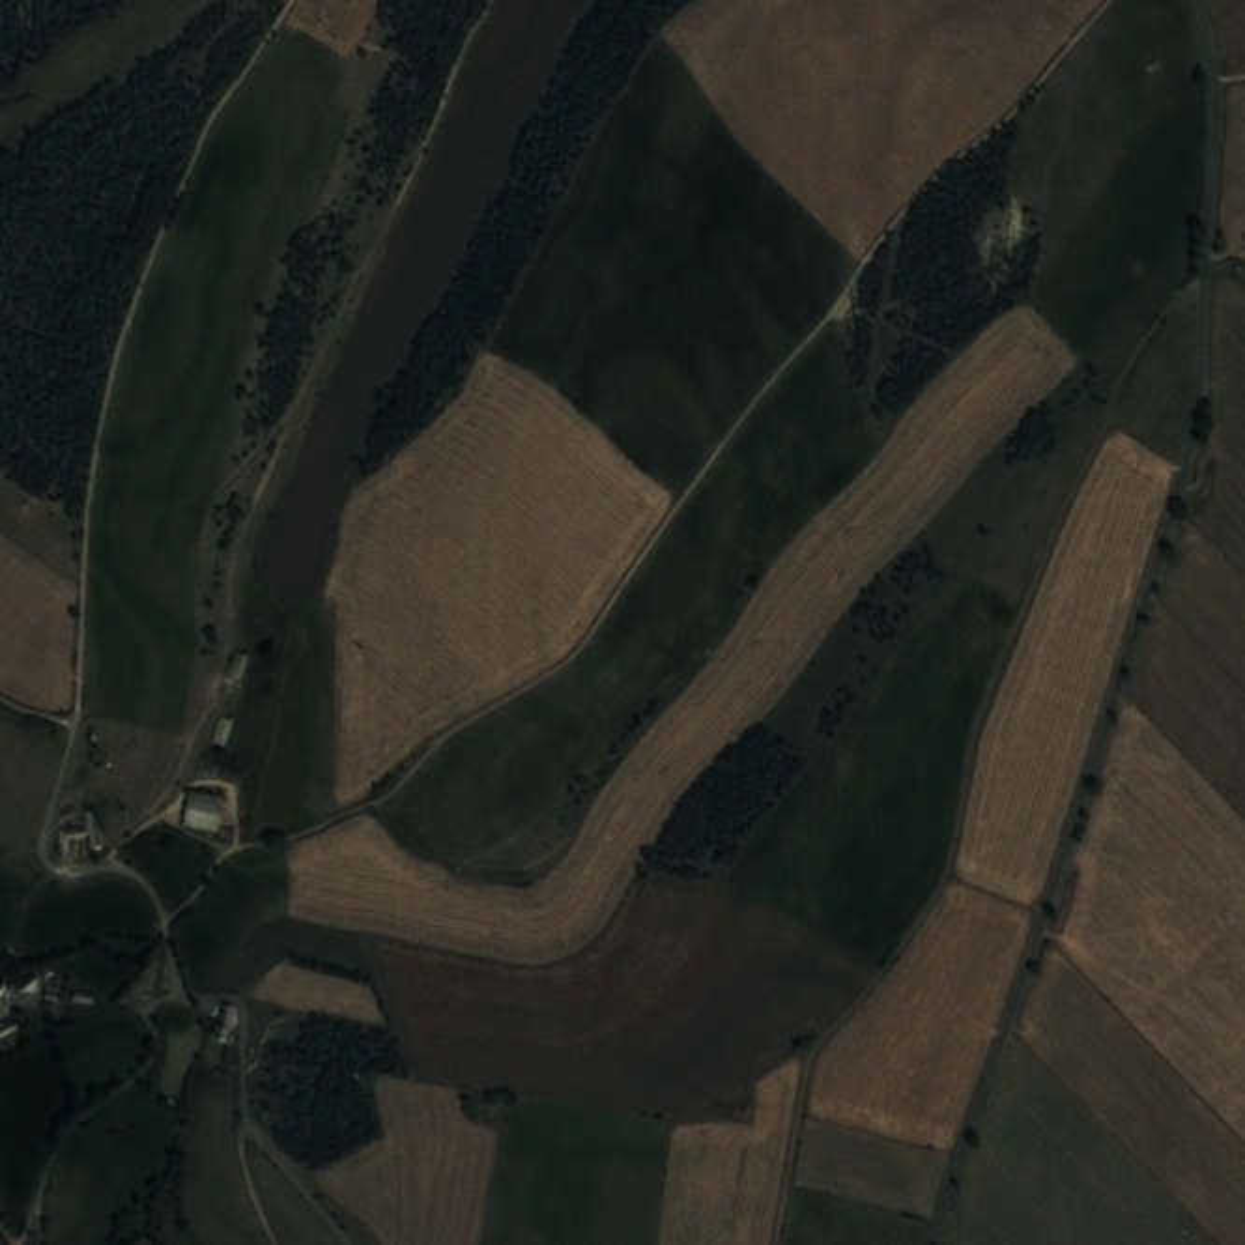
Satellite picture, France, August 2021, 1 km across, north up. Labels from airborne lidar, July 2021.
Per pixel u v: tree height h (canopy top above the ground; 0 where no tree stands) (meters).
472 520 0
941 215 10
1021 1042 0
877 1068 0
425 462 0
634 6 12
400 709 0
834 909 0
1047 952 0
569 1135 0
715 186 0
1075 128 0
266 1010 0
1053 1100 0
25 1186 0
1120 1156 0
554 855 0
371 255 0
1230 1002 0
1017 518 0
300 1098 8
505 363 0
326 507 0
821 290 0
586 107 8
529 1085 0
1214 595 0
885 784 0
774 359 0
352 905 0
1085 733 0
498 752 0
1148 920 0
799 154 0
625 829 0
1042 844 0
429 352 9
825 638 0
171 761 0
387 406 9
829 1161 0
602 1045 0
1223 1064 0
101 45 0
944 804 0
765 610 0
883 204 0
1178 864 0
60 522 0
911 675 0
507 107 0
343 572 0
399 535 0
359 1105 9
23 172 8
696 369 0
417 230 0
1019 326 0
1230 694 0
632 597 0
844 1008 0
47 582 0
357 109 0
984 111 0
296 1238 0
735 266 0
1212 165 0
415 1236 0
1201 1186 0
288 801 0
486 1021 0
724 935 0
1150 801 0
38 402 9
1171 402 0
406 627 0
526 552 0
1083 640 0
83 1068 0
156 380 0
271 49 0
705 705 0
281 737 0
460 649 0
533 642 0
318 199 0
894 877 0
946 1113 0
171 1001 0
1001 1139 0
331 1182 0
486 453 0
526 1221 0
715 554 0
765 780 11
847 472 0
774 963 0
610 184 0
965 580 0
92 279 11
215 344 0
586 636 0
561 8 0
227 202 0
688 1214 0
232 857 0
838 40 0
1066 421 0
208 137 0
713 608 0
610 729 0
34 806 0
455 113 0
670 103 0
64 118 10
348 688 0
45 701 0
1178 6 0
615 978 0
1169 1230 0
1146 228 0
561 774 0
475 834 0
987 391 0
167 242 0
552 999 0
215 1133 0
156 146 8
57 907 0
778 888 0
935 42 0
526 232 8
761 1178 0
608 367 0
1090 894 0
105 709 0
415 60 12
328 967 7
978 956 0
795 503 0
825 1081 0
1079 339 0
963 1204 0
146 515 0
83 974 0
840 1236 0
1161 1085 0
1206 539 0
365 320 0
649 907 0
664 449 0
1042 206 0
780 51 0
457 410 0
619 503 0
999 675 0
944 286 13
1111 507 0
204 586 0
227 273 0
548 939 0
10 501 0
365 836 0
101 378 8
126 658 0
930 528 0
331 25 0
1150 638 0
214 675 0
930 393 0
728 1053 0
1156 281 0
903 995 0
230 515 7
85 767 0
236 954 0
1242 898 0
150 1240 10
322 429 0
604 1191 0
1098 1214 0
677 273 0
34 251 6
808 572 0
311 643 0
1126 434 0
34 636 0
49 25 7
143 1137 0
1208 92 0
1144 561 0
